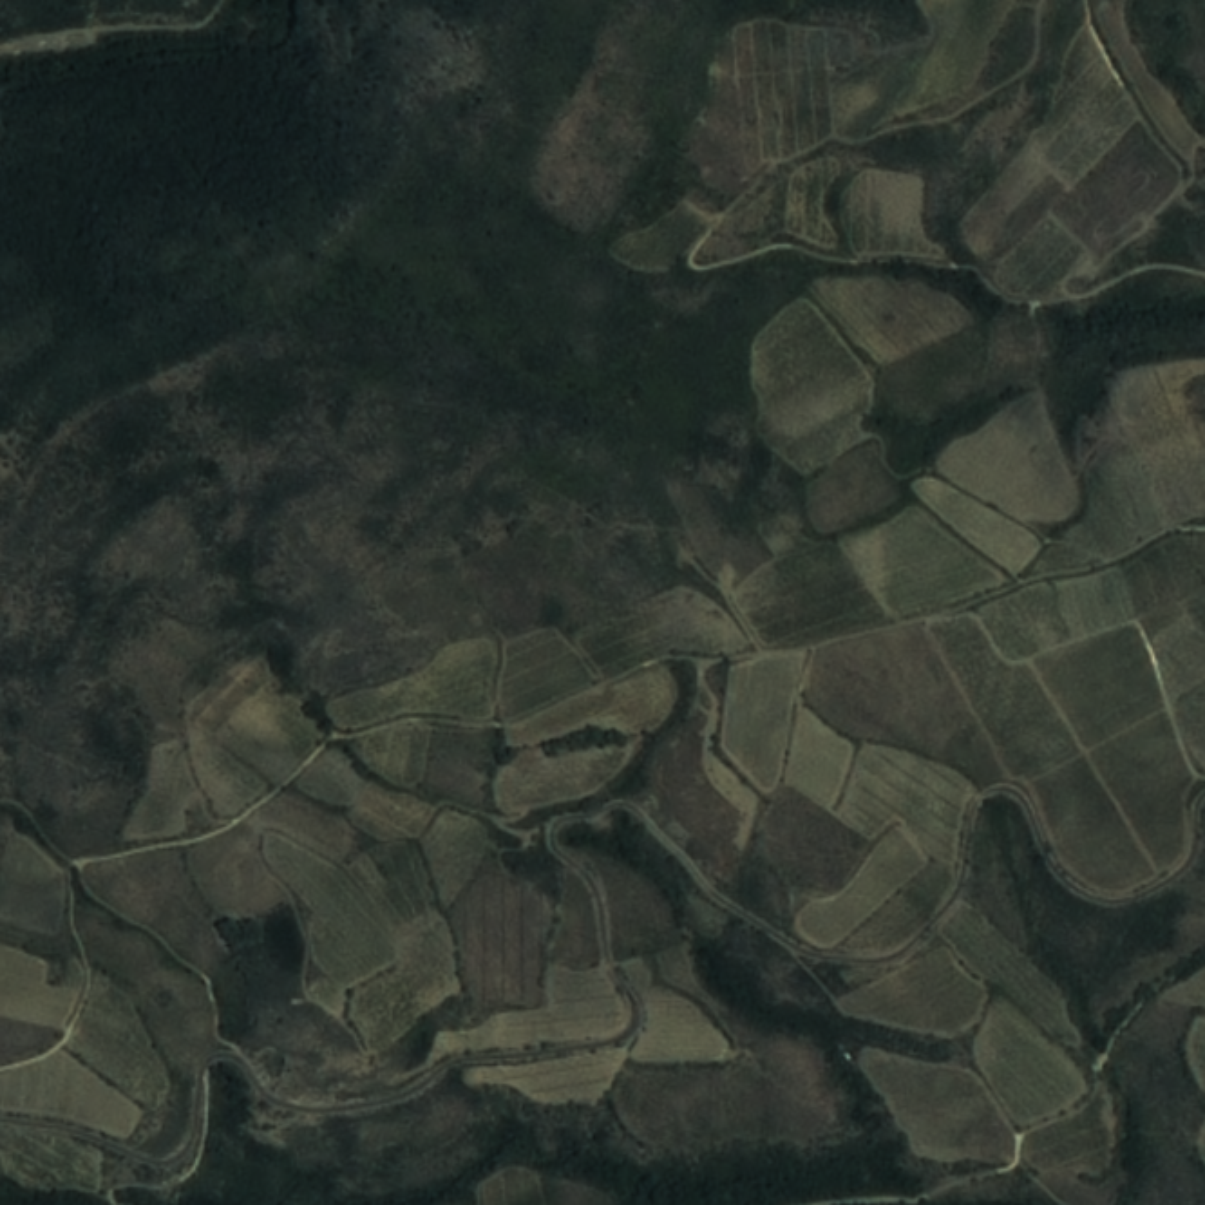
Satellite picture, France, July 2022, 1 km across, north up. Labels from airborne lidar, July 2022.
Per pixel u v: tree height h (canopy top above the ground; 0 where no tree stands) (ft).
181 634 0
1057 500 0
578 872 0
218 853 0
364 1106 0
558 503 0
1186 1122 0
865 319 0
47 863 0
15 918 0
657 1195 66
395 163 0
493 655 0
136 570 0
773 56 0
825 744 0
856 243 0
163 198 25
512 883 0
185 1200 24
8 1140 0
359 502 0
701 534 0
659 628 0
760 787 0
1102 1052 24
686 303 0
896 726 0
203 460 33
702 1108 0
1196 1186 0
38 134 20
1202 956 29
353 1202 29
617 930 0
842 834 0
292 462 0
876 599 0
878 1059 0
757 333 0
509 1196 0
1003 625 0
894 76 0
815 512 0
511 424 0
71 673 0
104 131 20
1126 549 0
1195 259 20
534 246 0
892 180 0
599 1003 0
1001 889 0
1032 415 0
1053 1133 0
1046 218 0
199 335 18
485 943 0
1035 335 0
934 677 0
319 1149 0
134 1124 0
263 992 0
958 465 0
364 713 0
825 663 0
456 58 0
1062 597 0
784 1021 25
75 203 35
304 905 0
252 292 0
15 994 0
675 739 0
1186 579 0
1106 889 0
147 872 0
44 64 29
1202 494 0
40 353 19
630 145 0
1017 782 0
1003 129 0
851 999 0
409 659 0
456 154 0
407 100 0
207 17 18
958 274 29
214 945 0
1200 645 0
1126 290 20
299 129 26
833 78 0
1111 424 0
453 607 0
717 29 0
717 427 0
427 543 0
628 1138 18
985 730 0
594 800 29
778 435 0
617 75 0
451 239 0
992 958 0
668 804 0
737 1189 44
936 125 0
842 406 0
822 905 0
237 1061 0
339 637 0
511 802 0
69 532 0
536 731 0
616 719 0
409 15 0
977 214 0
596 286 0
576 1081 0
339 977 0
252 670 0
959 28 0
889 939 0
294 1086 0
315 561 0
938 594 0
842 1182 32
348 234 0
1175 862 0
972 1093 0
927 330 0
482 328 0
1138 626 0
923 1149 0
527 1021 0
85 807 0
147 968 0
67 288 25
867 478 0
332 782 0
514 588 0
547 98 0
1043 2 0
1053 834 0
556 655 0
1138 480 0
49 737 0
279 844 0
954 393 0
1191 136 0
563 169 0
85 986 0
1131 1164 33
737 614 0
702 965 28
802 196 0
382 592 0
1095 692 0
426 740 0
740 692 0
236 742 0
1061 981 19
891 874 0
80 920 0
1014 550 0
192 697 0
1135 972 0
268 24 21
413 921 0
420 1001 0
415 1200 24
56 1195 37
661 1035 0
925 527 0
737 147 0
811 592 0
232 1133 31
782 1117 0
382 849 0
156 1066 0
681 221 0
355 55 23
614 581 0
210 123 37
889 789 0
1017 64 0
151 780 0
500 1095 18
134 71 25
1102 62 0
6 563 0
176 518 0
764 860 19
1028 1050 0
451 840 0
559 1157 24
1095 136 0
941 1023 0
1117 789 0
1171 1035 0
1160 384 0
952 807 0
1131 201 0
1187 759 0
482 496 0
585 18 0
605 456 0
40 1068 0
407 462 0
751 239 19
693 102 0
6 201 32
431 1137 0
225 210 23
